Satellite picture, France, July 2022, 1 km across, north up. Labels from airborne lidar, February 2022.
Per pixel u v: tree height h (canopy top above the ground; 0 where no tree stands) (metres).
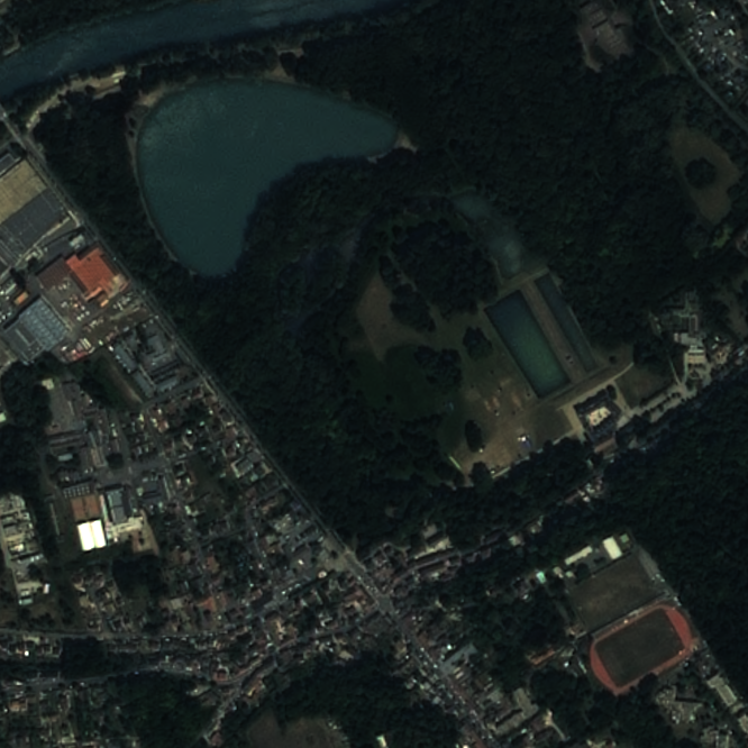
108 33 0
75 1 16
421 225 0
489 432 0
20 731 7
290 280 23
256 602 0
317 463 33
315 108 0
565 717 18
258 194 0
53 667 7
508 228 0
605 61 0
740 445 20
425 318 25
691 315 0
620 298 26
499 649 17
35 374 15
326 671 14
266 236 25
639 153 28
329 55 35
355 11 0
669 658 0
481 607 16
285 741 0
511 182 31
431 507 22
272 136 0
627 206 29
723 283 19
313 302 19
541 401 0
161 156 0
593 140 33
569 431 0
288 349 27
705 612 16
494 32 30
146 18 0
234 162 0
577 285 28
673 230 22
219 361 16
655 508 13
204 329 22
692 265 16
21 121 8
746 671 23
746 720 0
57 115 20
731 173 0
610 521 16
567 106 32
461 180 16
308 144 0
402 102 28
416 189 24
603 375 0
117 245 20
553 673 12
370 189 24
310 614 9
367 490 34
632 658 0
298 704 13
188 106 0
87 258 0
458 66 28
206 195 0
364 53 36
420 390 0
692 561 19
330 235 16
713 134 12
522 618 7
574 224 26
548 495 25
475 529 23
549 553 12
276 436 25
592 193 17
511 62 31
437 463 13
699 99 12
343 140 0
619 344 17
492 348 16
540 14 24
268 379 25
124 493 0
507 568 9
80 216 0
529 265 0
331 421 20
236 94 0
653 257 12
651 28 20
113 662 8
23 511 0
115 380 0
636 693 17
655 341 22
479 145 29
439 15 23
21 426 8
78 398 0
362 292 0
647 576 0
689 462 13
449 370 31
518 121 31
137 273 21
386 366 0
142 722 13
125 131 30
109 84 0
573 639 8
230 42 12
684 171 0
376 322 0
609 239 25
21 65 0
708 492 16
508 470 0
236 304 22
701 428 20
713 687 10
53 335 0
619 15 0
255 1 0
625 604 0
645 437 16
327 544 0
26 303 0
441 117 25
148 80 17
